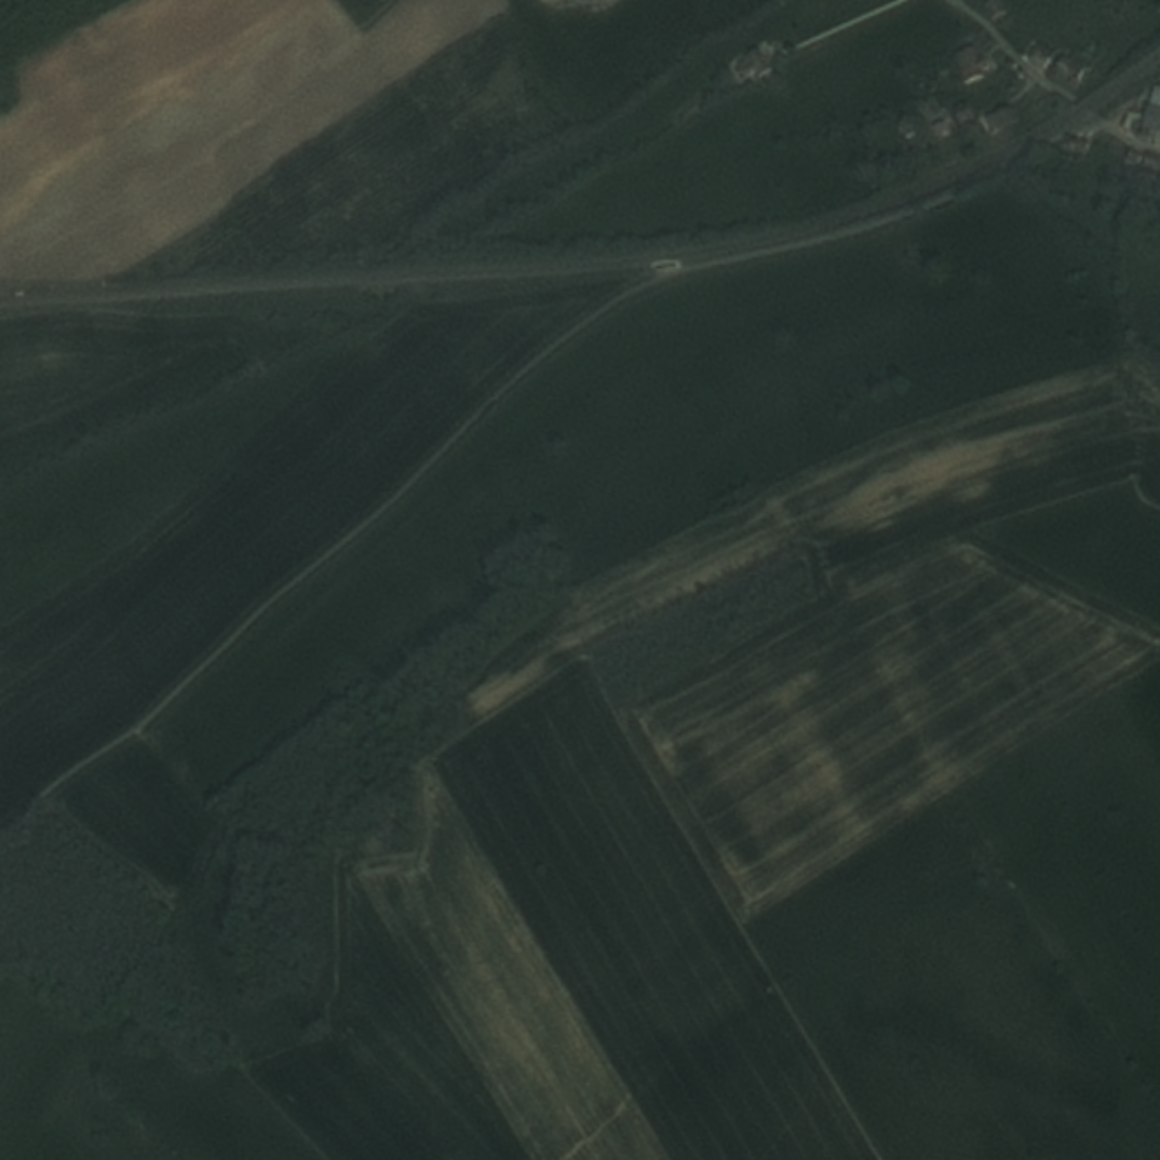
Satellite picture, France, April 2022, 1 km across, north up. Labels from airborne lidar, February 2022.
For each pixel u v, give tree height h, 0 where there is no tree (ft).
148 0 0
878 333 0
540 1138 0
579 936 0
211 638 0
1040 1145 0
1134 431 0
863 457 0
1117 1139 0
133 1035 72
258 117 0
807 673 0
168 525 0
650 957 0
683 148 0
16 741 0
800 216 0
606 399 0
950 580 0
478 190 59
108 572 0
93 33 0
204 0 0
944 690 0
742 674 0
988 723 0
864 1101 0
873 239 0
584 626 0
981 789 0
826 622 0
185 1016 83
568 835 0
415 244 54
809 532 0
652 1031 0
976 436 0
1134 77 0
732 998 0
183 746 0
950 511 0
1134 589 0
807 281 0
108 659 0
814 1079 0
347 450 0
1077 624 0
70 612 0
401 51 0
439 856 0
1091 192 0
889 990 0
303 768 58
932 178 0
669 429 0
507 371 0
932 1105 0
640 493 0
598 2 0
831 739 0
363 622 0
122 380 0
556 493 0
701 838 0
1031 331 0
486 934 0
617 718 0
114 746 0
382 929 0
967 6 0
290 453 0
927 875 0
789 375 0
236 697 0
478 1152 0
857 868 0
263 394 0
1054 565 0
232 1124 0
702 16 0
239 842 23
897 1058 0
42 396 0
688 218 0
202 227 0
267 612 0
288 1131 0
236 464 0
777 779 0
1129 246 54
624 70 0
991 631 0
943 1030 0
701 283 0
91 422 0
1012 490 0
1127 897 0
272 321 25
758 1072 0
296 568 0
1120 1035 0
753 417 0
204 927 0
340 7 0
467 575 0
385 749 38
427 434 0
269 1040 0
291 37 0
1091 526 0
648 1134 0
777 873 0
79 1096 0
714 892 0
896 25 0
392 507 0
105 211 0
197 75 0
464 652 86
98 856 44
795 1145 0
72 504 0
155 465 0
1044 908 0
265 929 68
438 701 79
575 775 0
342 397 0
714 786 0
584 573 0
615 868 0
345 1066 0
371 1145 0
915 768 0
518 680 0
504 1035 0
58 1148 0
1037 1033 0
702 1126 0
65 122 0
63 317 0
